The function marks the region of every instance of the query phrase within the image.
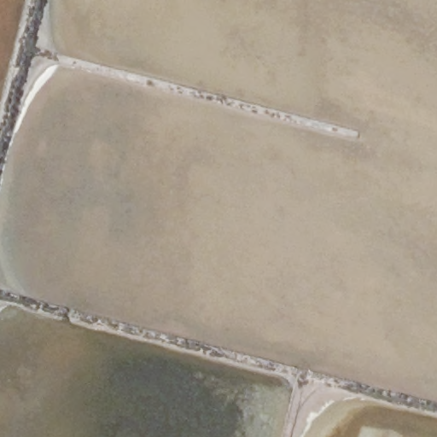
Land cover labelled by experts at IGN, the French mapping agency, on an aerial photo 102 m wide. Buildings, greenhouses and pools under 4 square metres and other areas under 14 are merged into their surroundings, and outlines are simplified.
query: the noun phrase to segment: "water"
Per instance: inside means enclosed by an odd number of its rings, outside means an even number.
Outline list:
[[[210,362],[207,358],[174,352],[152,343],[111,335],[106,331],[82,328],[70,321],[67,326],[61,326],[56,319],[39,318],[10,306],[0,312],[0,437],[236,437],[237,425],[242,422],[241,408],[253,401],[254,386],[280,387],[285,379],[220,362]]]
[[[0,97],[5,77],[9,72],[15,36],[19,31],[20,15],[26,0],[0,0]]]
[[[12,275],[19,285],[24,285],[34,292],[31,297],[44,300],[50,306],[67,306],[70,311],[92,316],[96,321],[104,321],[106,324],[118,321],[123,326],[149,329],[166,335],[169,340],[189,338],[203,341],[208,343],[208,348],[224,348],[253,358],[265,358],[277,365],[288,365],[307,372],[311,370],[319,379],[331,377],[335,381],[345,381],[347,384],[362,382],[377,389],[389,389],[391,394],[406,393],[417,398],[437,398],[437,0],[50,0],[53,3],[53,9],[50,9],[50,41],[55,50],[60,56],[79,58],[123,72],[137,73],[143,77],[154,75],[164,82],[198,90],[200,99],[236,99],[248,104],[258,104],[261,108],[278,109],[283,113],[319,119],[329,125],[355,130],[357,135],[352,138],[329,137],[328,133],[309,128],[263,121],[215,106],[203,106],[189,101],[188,97],[167,96],[166,92],[162,92],[160,96],[149,94],[131,82],[87,73],[82,68],[58,68],[32,99],[26,118],[20,126],[15,143],[19,145],[19,150],[15,152],[14,176],[12,183],[9,183],[9,208],[5,213],[2,230],[3,249],[5,253],[10,254],[9,265]]]
[[[427,417],[411,411],[367,405],[360,410],[350,411],[348,417],[328,437],[358,437],[364,427],[394,430],[401,437],[437,437],[437,415]]]

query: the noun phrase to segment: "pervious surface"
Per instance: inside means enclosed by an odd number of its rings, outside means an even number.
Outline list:
[[[364,427],[358,437],[401,437],[394,430]]]
[[[311,370],[307,372],[288,365],[277,365],[265,358],[253,358],[224,348],[208,348],[208,343],[203,341],[189,338],[169,340],[166,335],[149,329],[123,326],[118,321],[106,324],[104,321],[96,321],[92,316],[70,311],[70,321],[82,328],[106,331],[111,335],[152,343],[174,352],[207,358],[210,362],[220,362],[285,379],[280,387],[254,386],[253,401],[241,408],[242,422],[237,425],[236,437],[328,437],[348,417],[350,411],[360,410],[367,405],[411,411],[427,417],[437,415],[437,411],[391,403],[386,399],[372,398],[365,394],[350,393],[345,389],[347,384],[345,381],[335,381],[331,377],[319,379]]]
[[[46,51],[55,50],[50,41],[50,9],[53,9],[53,3],[50,0],[48,0],[44,5],[43,20],[39,26],[38,48]]]
[[[162,92],[166,92],[167,96],[188,97],[189,101],[203,106],[215,106],[263,121],[309,128],[328,133],[329,137],[352,138],[357,135],[355,130],[329,125],[319,119],[283,113],[278,109],[261,108],[258,104],[248,104],[236,99],[200,99],[198,90],[164,82],[154,75],[143,77],[137,73],[123,72],[79,58],[60,56],[56,61],[39,56],[32,58],[29,77],[24,85],[24,96],[20,101],[19,116],[15,119],[0,176],[0,290],[17,297],[31,297],[34,292],[24,285],[19,285],[12,275],[9,265],[10,254],[5,253],[3,249],[2,230],[5,213],[9,208],[9,183],[12,183],[14,176],[15,152],[19,150],[19,145],[15,143],[20,126],[26,118],[32,99],[58,68],[82,68],[87,73],[131,82],[149,94],[160,96]]]
[[[0,97],[0,125],[5,116],[5,106],[12,82],[19,73],[17,58],[20,44],[26,41],[29,12],[34,5],[32,0],[26,0],[20,15],[19,31],[15,36],[9,72],[5,77]]]
[[[39,318],[56,319],[61,319],[61,316],[55,312],[44,311],[36,306],[24,306],[20,302],[0,300],[0,312],[10,306]]]

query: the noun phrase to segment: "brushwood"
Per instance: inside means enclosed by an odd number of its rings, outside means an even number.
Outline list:
[[[362,382],[347,384],[345,389],[350,393],[365,394],[372,398],[386,399],[391,403],[437,411],[437,398],[417,398],[406,393],[391,394],[389,389],[377,389]]]
[[[67,326],[70,321],[70,311],[67,306],[50,306],[44,300],[31,297],[17,297],[0,290],[0,300],[20,302],[24,306],[36,306],[44,311],[55,312],[61,316],[61,319],[56,319],[61,326]]]
[[[24,96],[24,85],[29,77],[32,58],[39,56],[56,61],[60,56],[55,50],[46,51],[38,48],[39,26],[43,20],[44,5],[48,0],[32,0],[34,5],[29,12],[26,41],[20,44],[17,58],[19,73],[12,82],[5,106],[5,116],[0,125],[0,176],[15,119],[19,116],[20,101]]]

